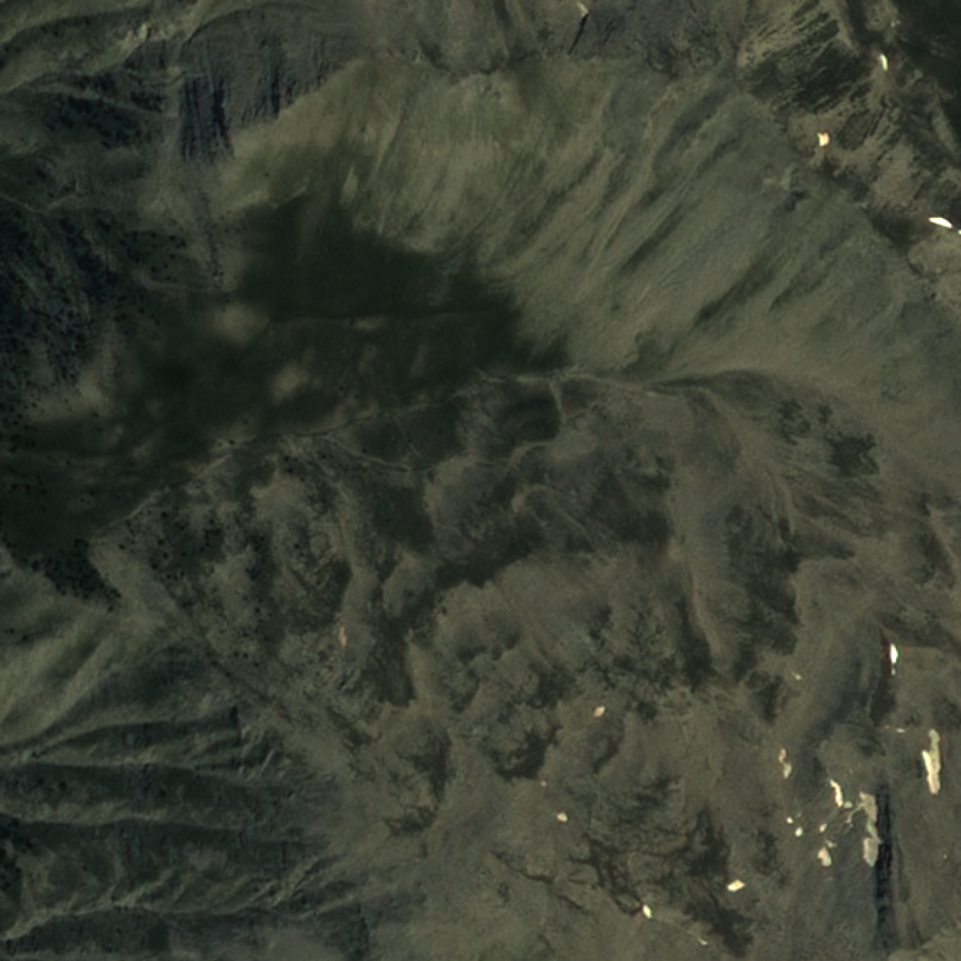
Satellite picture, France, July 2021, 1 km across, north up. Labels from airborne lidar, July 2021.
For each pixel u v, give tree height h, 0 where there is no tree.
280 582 0
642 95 0
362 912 0
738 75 0
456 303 0
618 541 0
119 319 7
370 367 0
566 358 0
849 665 0
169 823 0
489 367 0
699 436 0
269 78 0
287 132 0
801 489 0
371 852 0
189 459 0
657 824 0
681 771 0
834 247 0
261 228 0
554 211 0
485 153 0
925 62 0
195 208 0
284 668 0
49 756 0
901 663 0
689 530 0
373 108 0
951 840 0
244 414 0
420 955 0
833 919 0
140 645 0
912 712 0
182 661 0
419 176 0
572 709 0
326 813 0
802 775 0
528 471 0
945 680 0
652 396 0
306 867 0
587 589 0
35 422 0
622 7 0
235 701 0
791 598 0
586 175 0
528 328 0
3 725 0
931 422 0
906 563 0
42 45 0
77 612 0
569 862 0
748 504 0
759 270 0
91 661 0
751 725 0
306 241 0
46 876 0
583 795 0
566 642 0
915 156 0
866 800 0
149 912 0
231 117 0
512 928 0
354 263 0
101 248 0
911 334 0
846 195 0
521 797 0
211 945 0
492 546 0
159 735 0
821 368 0
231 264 0
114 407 0
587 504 0
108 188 0
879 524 0
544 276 0
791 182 0
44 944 0
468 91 0
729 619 0
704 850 0
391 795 0
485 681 0
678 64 0
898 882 0
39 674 0
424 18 0
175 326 0
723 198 0
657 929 0
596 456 0
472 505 0
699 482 0
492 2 0
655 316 0
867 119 0
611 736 0
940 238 0
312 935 0
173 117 0
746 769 0
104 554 0
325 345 0
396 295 0
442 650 0
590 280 0
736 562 0
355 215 0
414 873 0
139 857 0
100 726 0
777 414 0
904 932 0
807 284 0
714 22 0
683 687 0
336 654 0
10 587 0
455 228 0
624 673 0
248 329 0
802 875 0
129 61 0
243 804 0
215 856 0
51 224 0
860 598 0
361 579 0
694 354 0
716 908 0
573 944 0
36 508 0
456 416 0
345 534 0
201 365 0
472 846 0
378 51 0
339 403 0
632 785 0
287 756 0
